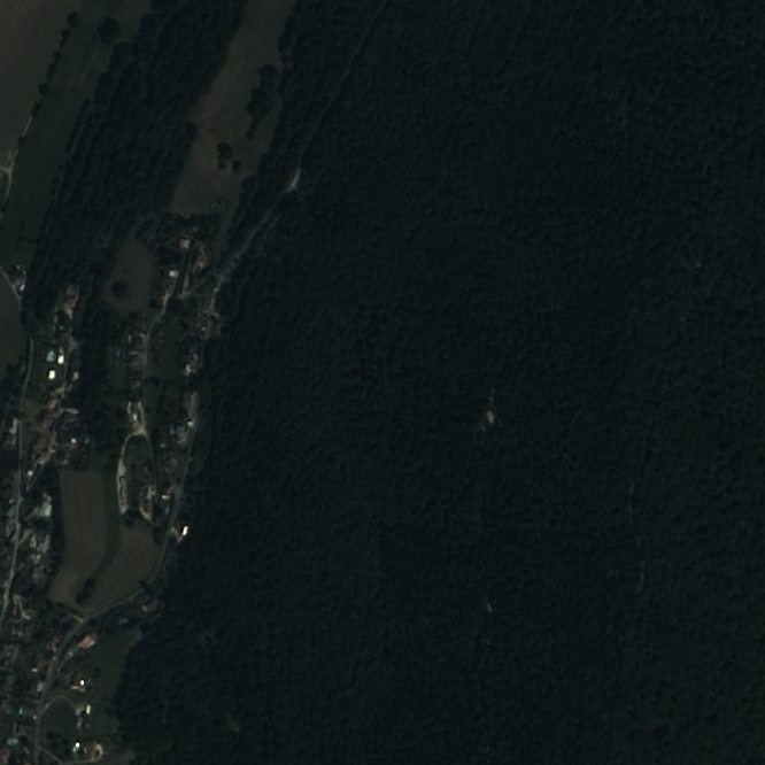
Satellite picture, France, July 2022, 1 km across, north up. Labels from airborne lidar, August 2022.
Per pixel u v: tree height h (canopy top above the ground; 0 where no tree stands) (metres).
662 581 14
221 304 10
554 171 20
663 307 17
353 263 19
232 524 24
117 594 0
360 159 23
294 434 18
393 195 23
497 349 15
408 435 22
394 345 27
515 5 23
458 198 20
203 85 19
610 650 15
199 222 13
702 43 21
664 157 22
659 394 20
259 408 26
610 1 27
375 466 19
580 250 23
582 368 17
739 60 20
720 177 22
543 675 14
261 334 24
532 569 16
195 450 8
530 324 9
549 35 24
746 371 17
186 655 21
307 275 28
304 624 15
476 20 18
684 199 22
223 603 22
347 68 14
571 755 17
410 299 22
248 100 0
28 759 7
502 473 26
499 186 23
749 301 9
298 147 19
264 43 0
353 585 15
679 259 17
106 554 0
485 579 15
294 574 18
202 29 21
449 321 21
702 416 22
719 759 14
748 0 20
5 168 0
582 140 20
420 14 23
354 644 15
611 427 22
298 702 18
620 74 27
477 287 25
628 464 15
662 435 18
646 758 17
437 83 25
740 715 13
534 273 29
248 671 27
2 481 13
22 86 0
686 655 16
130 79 18
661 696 19
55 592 0
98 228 7
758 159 25
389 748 15
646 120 24
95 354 15
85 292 14
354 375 8
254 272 17
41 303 14
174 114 13
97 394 15
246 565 24
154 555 0
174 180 8
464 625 15
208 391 8
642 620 17
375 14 11
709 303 24
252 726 22
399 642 18
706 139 12
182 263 10
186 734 17
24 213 0
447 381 25
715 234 22
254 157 0
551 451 22
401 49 22
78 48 0
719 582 18
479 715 23
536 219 22
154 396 0
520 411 26
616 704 16
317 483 18
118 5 0
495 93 24
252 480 23
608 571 16
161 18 15
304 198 12
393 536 10
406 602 17
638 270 15
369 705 12
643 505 16
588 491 20
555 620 23
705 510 19
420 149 24
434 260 24
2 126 0
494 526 18
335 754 22
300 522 21
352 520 18
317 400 16
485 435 21
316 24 22
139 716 17
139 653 16
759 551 22
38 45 0
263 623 21
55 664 0
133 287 0
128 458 0
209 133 0
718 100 25
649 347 16
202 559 23
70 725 0
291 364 19
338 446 19
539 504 17
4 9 0
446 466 19
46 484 13
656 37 22
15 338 0
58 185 7
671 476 17
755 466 18
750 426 21
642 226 16
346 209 28
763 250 18
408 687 16
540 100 26
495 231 24
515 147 23
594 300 19
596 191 19
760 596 19
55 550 10
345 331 19
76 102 0
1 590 14
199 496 13
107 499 0
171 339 0
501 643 25
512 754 25
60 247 15
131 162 17
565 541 13
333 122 21
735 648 21
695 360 20
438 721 18
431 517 21
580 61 27
